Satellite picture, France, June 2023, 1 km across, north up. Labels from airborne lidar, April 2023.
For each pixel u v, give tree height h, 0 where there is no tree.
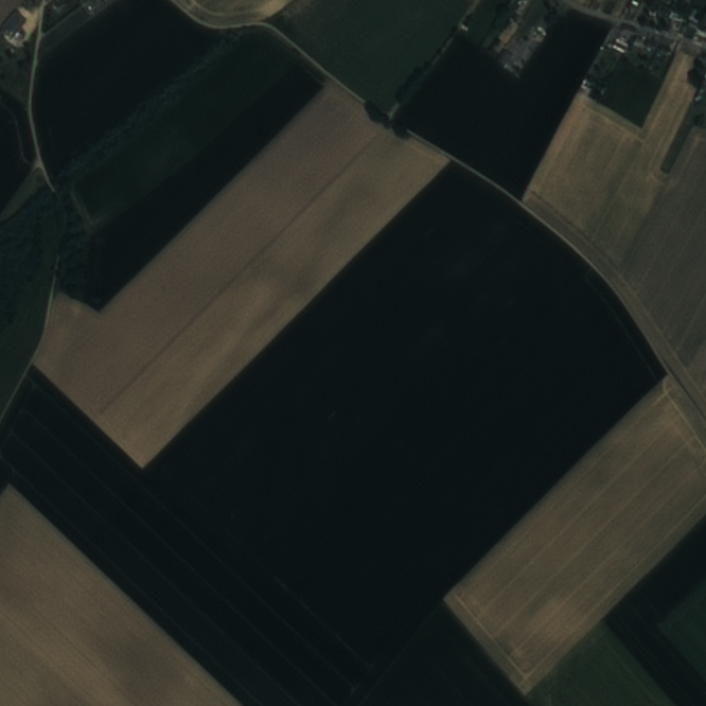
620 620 0
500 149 0
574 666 0
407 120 0
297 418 0
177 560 0
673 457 0
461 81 0
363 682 0
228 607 0
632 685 0
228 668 0
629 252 0
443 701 0
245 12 0
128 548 0
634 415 0
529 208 0
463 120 0
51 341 0
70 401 0
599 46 0
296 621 0
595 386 0
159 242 0
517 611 0
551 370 0
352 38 0
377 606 0
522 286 0
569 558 0
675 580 0
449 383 0
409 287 0
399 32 0
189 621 0
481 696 0
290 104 0
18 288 19
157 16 0
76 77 0
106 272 0
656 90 0
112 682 0
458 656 0
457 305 0
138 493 0
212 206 0
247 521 0
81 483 0
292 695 0
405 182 0
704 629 0
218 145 0
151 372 0
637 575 0
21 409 0
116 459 0
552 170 0
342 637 0
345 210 0
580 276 0
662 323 0
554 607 0
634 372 0
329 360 0
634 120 0
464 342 0
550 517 0
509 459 0
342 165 0
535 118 0
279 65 0
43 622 0
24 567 0
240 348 0
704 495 0
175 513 0
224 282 0
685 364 0
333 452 0
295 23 0
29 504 0
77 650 0
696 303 0
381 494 0
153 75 0
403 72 0
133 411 0
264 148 0
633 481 0
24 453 0
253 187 0
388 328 0
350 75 0
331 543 0
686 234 0
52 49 0
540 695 0
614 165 0
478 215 0
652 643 0
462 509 0
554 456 0
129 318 0
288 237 0
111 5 0
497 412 0
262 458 0
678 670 0
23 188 0
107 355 0
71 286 16
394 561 0
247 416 0
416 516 0
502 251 0
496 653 0
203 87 0
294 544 0
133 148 0
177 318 0
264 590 0
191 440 0
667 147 0
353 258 0
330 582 0
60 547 0
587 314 0
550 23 13
